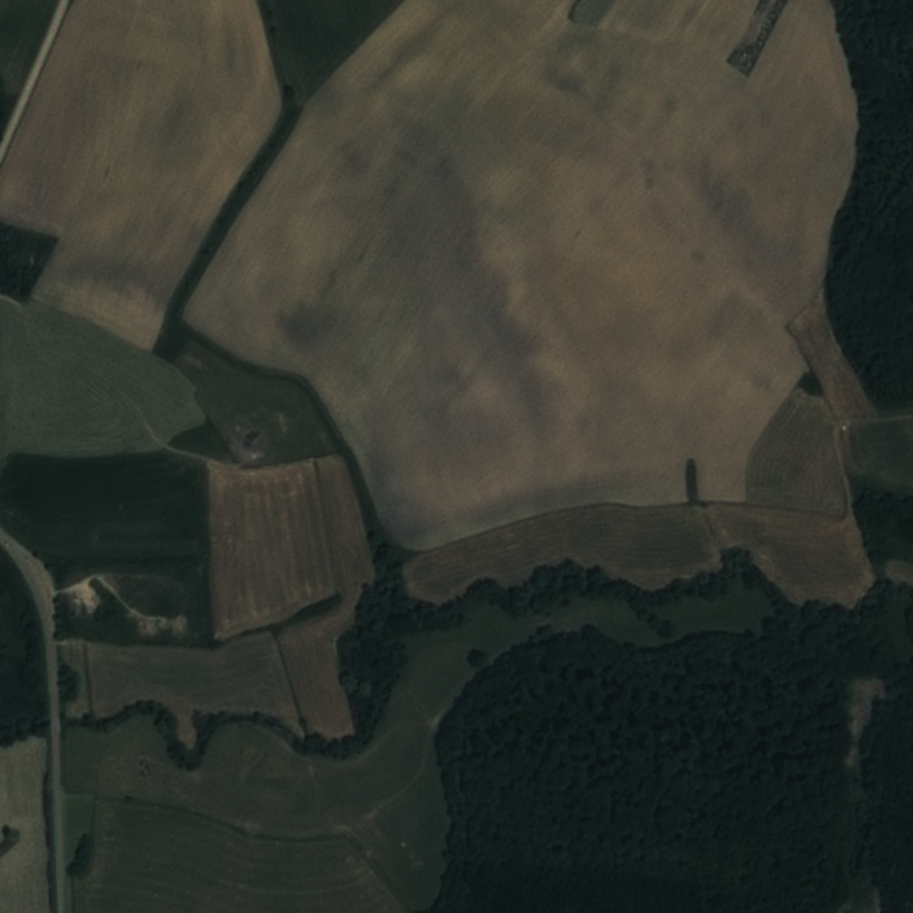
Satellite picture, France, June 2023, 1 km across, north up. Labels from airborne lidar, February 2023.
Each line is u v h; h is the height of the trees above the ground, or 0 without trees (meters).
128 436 0
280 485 0
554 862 17
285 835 0
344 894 0
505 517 0
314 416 0
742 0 0
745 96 0
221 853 0
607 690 28
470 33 0
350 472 0
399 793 0
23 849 0
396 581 7
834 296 19
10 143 0
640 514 0
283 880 0
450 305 0
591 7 0
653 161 0
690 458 0
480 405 0
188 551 0
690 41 0
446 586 0
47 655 0
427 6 0
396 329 0
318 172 0
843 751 23
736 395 0
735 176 0
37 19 0
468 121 0
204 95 0
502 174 0
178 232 0
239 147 0
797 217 0
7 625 0
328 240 0
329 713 0
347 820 0
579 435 0
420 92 0
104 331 0
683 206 0
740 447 0
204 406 0
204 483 0
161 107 0
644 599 16
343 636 0
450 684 0
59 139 0
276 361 0
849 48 20
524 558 0
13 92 0
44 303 0
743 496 0
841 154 0
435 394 0
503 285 0
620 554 0
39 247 0
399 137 0
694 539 0
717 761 28
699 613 0
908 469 0
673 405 0
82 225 0
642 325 0
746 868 23
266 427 0
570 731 27
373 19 0
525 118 0
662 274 0
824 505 0
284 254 0
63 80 0
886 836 12
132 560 0
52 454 0
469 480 0
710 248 0
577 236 0
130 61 0
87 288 0
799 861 23
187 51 0
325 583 0
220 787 0
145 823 0
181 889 0
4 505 0
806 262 0
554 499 0
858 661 23
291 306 0
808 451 0
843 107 0
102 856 0
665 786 26
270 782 0
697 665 24
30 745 0
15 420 0
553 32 0
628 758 24
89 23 0
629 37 0
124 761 0
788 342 0
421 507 0
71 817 0
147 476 0
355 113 0
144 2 0
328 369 0
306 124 0
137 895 0
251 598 0
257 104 0
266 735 0
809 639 24
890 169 12
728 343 0
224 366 0
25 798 0
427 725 0
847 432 0
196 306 0
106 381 0
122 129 0
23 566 0
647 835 23
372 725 12
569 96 0
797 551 0
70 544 0
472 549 0
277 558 0
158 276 0
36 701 6
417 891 0
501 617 0
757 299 0
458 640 0
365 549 0
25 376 0
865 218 23
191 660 0
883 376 20
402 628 11
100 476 0
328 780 0
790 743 28
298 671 0
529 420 0
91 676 0
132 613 0
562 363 0
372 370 0
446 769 14
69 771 0
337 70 0
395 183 0
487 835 20
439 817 0
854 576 0
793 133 0
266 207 0
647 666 25
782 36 0
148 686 0
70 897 0
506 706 25
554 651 24
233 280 0
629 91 0
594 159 0
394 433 0
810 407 0
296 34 0
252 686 0
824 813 24
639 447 0
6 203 0
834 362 0
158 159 0
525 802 24
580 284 0
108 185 0
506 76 0
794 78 0
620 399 0
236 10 0
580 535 0
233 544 0
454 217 0
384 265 0
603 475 0
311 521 0
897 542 0
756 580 10
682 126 0
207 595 0
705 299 0
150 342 0
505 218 0
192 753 0
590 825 29
